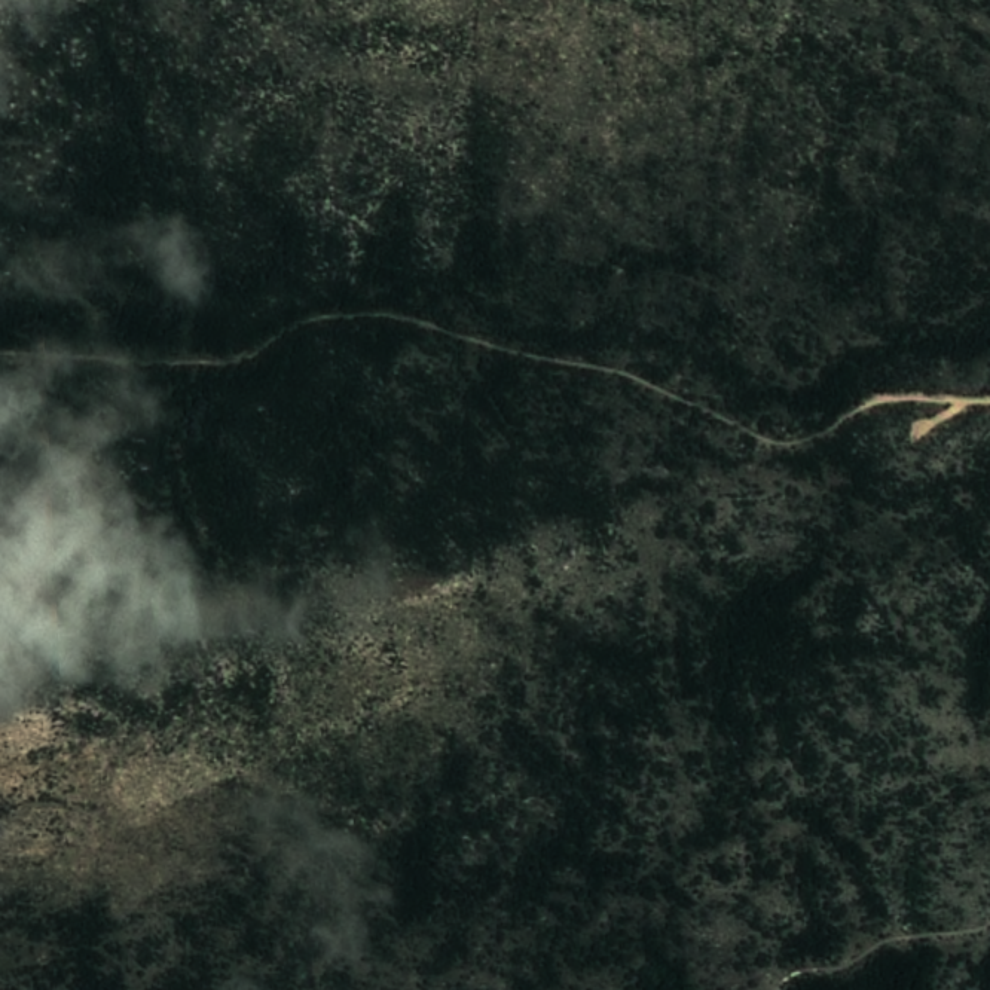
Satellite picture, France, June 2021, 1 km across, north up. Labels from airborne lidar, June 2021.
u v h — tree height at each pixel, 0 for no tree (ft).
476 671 0
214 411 25
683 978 34
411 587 0
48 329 21
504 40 0
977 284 23
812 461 19
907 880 20
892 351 26
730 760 22
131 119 33
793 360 21
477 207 23
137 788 0
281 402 18
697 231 0
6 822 0
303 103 0
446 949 28
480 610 0
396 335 21
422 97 0
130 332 32
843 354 19
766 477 0
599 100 0
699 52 0
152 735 0
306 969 19
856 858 24
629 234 0
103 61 25
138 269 24
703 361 24
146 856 0
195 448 27
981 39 21
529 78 0
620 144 0
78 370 19
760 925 19
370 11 0
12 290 26
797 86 0
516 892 29
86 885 0
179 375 20
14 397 20
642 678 20
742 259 0
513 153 0
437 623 0
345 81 0
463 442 20
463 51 0
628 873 25
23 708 0
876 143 0
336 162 0
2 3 0
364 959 22
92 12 25
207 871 0
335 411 33
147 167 33
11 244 22
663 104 0
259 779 0
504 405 29
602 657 20
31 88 0
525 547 0
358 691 0
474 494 18
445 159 0
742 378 24
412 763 0
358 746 0
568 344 23
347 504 19
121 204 30
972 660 29
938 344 24
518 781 0
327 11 0
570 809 19
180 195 19
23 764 0
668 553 0
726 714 22
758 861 20
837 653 20
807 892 32
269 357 29
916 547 0
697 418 20
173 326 21
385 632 0
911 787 22
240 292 25
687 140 0
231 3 0
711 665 25
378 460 22
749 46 0
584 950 24
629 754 18
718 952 0
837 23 0
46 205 23
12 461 23
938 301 22
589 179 0
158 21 0
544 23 0
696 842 26
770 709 25
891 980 35
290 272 23
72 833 0
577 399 28
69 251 26
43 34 19
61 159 18
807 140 0
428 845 28
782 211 0
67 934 20
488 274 26
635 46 0
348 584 0
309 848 24
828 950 20
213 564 20
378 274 30
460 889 24
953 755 0
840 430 17
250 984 19
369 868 19
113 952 20
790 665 19
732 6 0
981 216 0
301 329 24
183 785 0
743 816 37
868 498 21
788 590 20
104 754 0
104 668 20
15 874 0
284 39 0
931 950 35
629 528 0
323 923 26
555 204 0
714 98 0
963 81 0
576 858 26
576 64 0
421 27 0
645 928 39
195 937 20
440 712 0
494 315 21
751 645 21
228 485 28
